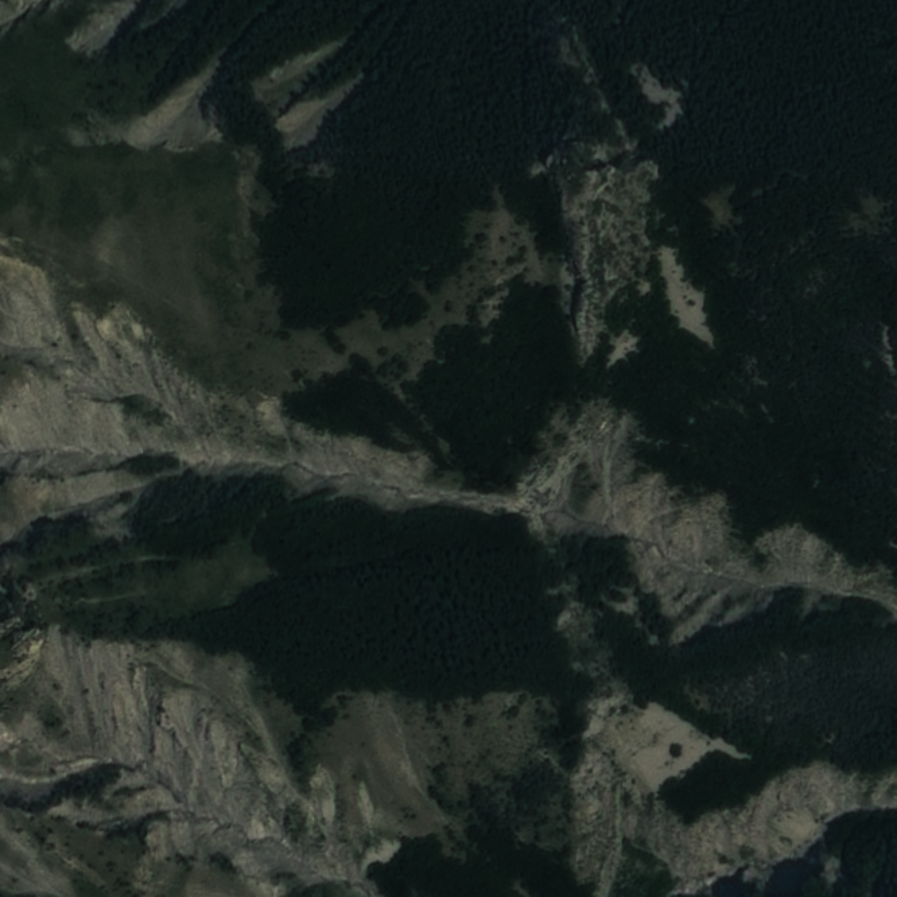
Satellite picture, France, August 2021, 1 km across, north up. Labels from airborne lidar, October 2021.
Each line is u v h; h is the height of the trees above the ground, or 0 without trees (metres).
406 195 18
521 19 16
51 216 0
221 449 0
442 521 7
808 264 11
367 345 0
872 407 12
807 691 13
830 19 14
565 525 0
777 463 14
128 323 0
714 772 12
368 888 0
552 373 16
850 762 22
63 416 0
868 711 14
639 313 10
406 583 16
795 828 0
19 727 0
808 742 12
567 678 12
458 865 11
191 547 9
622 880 7
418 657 18
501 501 0
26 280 0
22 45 0
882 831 13
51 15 0
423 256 14
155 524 9
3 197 0
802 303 7
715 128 23
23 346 0
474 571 17
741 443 9
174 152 0
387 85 16
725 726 11
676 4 20
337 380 8
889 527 18
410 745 0
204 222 0
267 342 0
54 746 0
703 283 14
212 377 0
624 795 6
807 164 20
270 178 11
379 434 7
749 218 11
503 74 21
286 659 15
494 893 13
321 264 15
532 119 18
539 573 16
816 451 11
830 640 11
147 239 0
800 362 14
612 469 0
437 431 9
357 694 6
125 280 0
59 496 0
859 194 11
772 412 10
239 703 0
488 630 18
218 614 11
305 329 6
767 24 23
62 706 0
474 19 18
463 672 18
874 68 19
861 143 19
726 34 19
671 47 12
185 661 0
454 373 9
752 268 9
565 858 8
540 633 17
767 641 16
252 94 8
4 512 0
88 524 8
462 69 19
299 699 14
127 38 6
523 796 13
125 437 0
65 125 0
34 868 0
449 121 19
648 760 0
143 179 0
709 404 11
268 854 0
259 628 16
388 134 13
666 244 6
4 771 0
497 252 0
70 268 0
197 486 10
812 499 14
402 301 16
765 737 10
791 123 21
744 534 6
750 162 22
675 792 12
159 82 8
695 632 0
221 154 0
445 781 6
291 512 8
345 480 0
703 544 0
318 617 16
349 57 17
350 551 17
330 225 14
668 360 10
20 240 0
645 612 11
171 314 0
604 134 6
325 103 0
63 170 0
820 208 14
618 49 26
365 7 21
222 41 12
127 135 0
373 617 19
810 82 20
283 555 9
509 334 9
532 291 14
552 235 17
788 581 0
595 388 10
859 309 10
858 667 9
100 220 0
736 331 9
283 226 10
